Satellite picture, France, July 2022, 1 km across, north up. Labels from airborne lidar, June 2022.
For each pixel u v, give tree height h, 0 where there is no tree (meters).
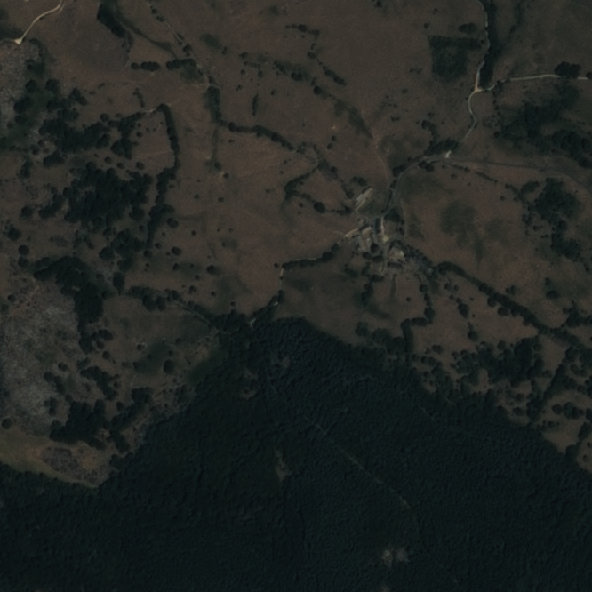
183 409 9
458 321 0
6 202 0
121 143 8
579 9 0
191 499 18
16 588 14
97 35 0
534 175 0
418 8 0
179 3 0
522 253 0
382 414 18
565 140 6
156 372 0
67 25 0
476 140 0
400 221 10
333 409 19
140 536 14
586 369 11
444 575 20
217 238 0
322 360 24
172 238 0
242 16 0
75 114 6
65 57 0
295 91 0
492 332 0
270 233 0
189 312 6
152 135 0
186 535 18
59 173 0
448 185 0
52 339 0
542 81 0
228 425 15
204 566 15
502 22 0
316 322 0
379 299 0
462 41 6
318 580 18
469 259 0
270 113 0
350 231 0
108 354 10
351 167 0
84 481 0
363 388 20
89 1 0
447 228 0
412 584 20
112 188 15
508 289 6
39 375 0
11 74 0
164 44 0
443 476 17
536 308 0
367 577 16
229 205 0
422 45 0
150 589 17
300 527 23
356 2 0
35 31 0
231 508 10
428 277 5
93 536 9
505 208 0
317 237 0
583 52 0
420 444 13
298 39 0
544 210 6
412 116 0
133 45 0
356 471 19
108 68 0
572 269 0
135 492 25
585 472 11
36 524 10
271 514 14
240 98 0
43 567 12
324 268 0
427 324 15
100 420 20
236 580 13
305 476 20
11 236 11
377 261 7
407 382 14
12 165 0
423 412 17
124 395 0
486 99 0
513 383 16
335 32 0
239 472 24
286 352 23
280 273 0
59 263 12
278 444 11
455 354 10
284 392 16
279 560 20
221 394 13
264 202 0
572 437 0
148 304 16
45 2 0
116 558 13
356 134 0
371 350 10
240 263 0
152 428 11
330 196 0
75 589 9
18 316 0
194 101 0
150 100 0
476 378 12
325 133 0
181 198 0
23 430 0
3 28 0
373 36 0
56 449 0
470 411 16
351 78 0
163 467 15
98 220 11
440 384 14
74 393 0
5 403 0
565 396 0
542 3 0
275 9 0
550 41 0
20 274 0
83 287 15
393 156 0
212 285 0
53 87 12
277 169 0
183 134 0
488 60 13
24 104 15
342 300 0
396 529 12
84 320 12
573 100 0
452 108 0
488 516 22
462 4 0
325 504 20
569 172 0
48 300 0
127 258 6
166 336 0
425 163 10
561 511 11
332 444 15
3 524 16
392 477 16
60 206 13
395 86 0
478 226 0
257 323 10
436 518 21
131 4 0
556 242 7
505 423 15
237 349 9
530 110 6
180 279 0
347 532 19
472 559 15
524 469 25
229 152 0
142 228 13
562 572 23
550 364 0
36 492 10
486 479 20
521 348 20
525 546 18
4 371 0
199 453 11
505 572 14
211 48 0
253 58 0
